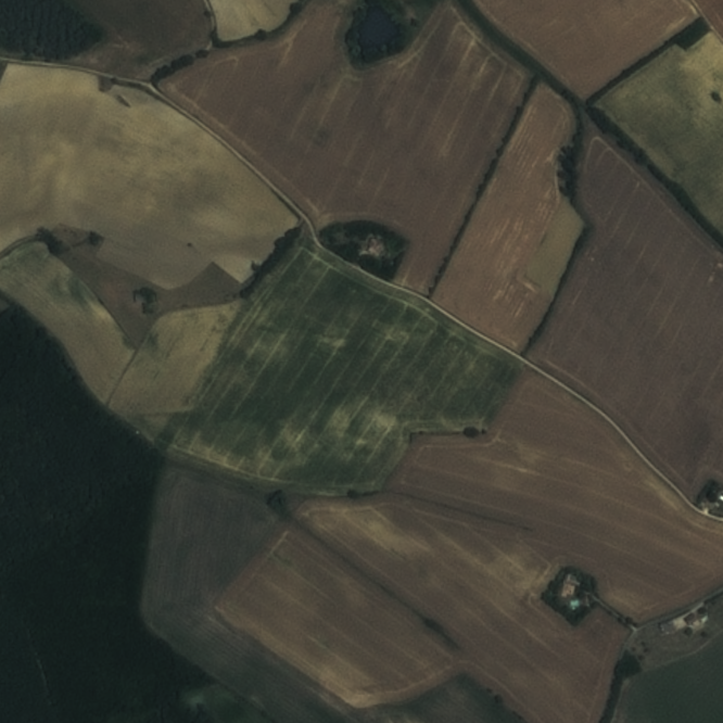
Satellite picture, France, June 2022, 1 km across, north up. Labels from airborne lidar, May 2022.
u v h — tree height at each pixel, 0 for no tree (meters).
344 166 0
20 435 18
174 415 0
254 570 0
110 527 9
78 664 11
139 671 9
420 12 0
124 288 0
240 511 0
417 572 0
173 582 0
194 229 0
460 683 0
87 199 0
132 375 0
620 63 0
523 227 0
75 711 14
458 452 0
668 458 0
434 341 0
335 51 0
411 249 0
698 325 0
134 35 0
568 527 0
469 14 0
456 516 0
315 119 0
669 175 0
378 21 0
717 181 0
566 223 0
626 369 0
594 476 0
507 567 0
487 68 0
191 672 7
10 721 15
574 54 0
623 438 0
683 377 0
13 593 10
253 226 0
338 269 0
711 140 0
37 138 0
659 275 0
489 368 0
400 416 0
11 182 0
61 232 0
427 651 0
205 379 0
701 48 0
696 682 0
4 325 14
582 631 0
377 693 0
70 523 15
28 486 22
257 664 0
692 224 0
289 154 0
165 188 0
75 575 11
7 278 0
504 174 0
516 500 0
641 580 0
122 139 0
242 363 0
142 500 9
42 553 10
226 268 0
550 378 0
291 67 0
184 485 0
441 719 0
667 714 0
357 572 0
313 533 0
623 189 0
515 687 0
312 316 0
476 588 0
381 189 0
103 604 10
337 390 0
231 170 0
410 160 0
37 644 11
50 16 18
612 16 0
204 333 0
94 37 16
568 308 0
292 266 0
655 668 0
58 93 0
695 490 0
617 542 0
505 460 0
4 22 19
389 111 0
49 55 12
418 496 0
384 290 0
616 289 0
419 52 0
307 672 0
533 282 0
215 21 0
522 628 0
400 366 0
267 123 0
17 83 0
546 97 0
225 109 0
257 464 0
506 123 0
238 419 0
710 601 6
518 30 0
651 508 0
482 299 0
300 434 0
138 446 19
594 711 0
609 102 0
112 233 0
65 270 0
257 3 0
